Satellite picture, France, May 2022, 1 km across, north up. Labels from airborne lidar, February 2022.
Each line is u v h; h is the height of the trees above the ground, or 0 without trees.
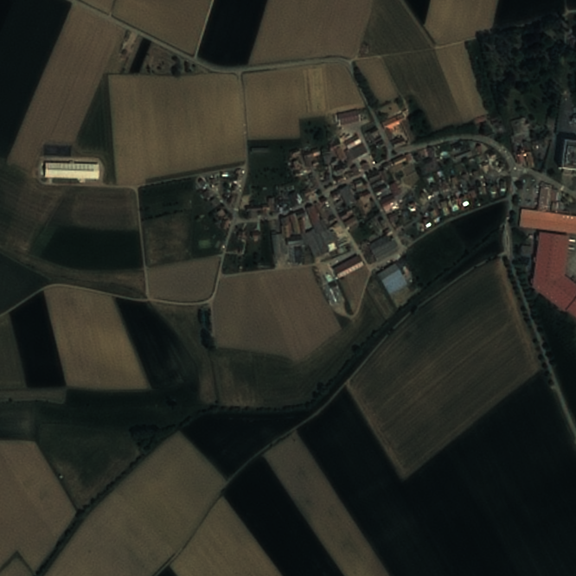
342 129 0
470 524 0
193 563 0
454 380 0
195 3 0
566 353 0
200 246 0
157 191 0
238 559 0
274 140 0
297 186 0
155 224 0
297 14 0
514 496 0
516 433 0
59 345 0
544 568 0
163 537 0
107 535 0
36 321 0
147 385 0
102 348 0
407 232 0
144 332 0
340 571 0
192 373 0
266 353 0
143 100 0
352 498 0
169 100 0
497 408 0
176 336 0
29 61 0
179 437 0
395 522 0
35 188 0
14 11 0
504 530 0
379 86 0
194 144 0
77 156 0
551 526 0
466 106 0
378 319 0
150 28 0
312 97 0
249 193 0
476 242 0
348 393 0
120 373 0
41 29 0
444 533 0
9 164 0
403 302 0
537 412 0
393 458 0
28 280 0
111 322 0
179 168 0
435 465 0
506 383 0
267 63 0
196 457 0
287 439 0
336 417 0
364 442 0
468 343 0
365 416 0
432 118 0
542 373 0
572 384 0
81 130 0
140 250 0
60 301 0
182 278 0
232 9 0
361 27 0
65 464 0
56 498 0
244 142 0
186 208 0
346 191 0
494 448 0
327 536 0
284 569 0
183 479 0
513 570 0
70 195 0
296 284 0
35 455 0
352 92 0
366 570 0
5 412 0
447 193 0
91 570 0
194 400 0
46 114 0
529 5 0
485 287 0
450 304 0
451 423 0
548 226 0
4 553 0
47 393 0
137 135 0
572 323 9
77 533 0
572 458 0
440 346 0
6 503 0
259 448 0
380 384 0
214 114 0
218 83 0
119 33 0
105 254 0
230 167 0
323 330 0
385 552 0
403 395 0
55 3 0
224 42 0
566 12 0
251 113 0
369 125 0
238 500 0
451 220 0
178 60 9
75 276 0
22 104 0
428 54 0
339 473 0
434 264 0
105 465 0
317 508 0
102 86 0
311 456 0
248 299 0
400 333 0
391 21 0
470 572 0
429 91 0
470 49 14
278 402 0
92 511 0
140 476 0
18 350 0
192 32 0
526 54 16
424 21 0
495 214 0
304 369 0
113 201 0
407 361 0
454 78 0
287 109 0
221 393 0
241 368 0
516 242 0
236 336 0
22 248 0
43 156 0
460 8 0
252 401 0
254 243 0
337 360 0
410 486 0
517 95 0
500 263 0
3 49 0
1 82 0
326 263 0
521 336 0
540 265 0
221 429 0
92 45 0
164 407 0
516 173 0
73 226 0
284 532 0
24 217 0
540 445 0
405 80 0
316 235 0
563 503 0
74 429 0
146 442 6
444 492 0
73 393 0
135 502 0
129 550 0
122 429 0
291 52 0
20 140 0
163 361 0
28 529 0
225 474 0
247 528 0
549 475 0
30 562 0
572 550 0
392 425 0
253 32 0
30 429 0
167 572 0
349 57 0
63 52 0
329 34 0
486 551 0
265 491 0
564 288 0
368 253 0
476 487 0
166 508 0
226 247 0
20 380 0
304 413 0
